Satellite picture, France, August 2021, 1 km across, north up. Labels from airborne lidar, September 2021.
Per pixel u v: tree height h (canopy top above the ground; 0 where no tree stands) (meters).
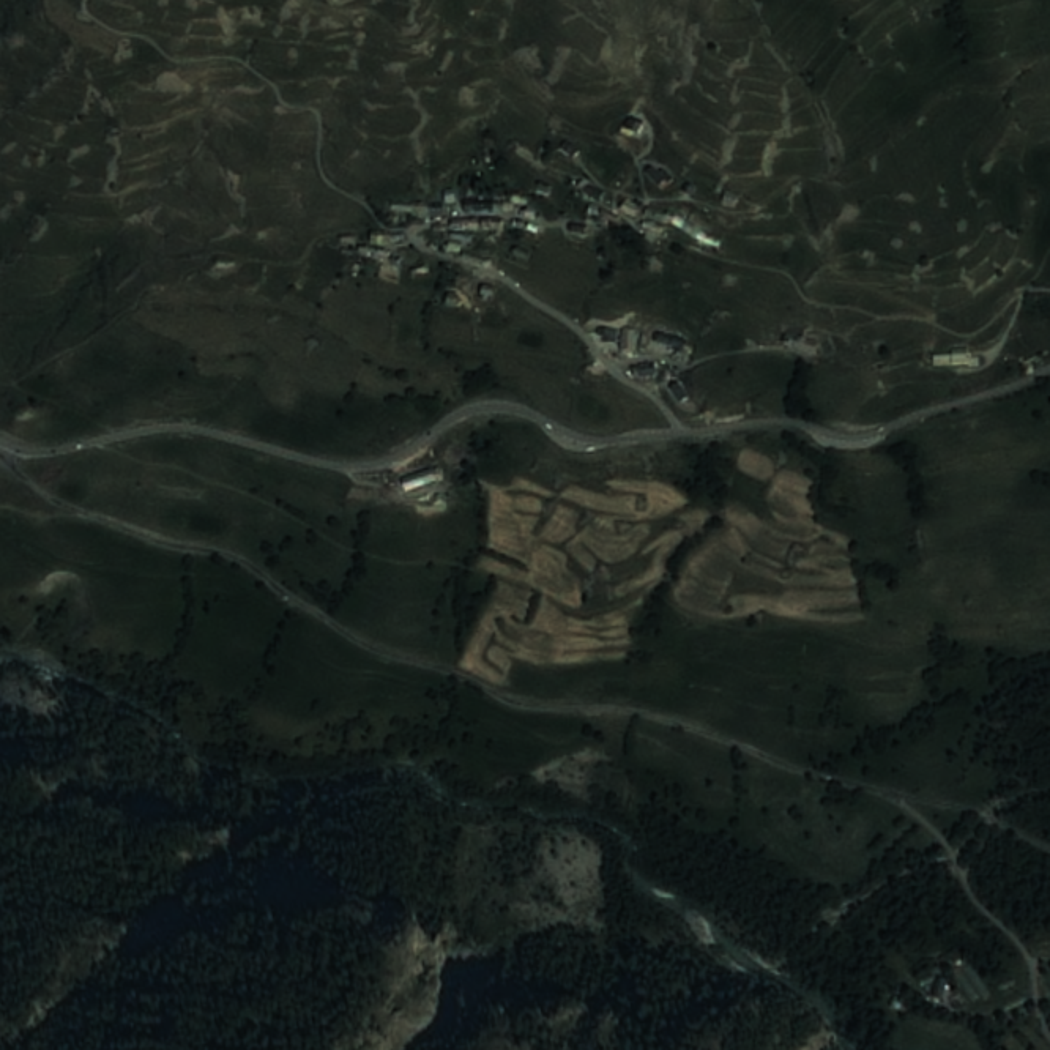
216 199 0
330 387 0
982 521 0
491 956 0
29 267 0
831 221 0
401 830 19
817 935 8
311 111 0
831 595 0
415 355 0
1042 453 0
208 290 0
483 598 9
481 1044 6
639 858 6
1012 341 0
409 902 20
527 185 0
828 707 6
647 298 0
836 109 0
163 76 0
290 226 0
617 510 0
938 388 0
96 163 0
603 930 5
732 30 0
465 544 0
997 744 10
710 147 0
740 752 10
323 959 25
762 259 0
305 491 0
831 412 0
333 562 0
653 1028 18
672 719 0
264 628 0
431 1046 45
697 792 0
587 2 0
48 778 9
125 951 10
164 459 0
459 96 0
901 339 0
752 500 0
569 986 12
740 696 0
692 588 0
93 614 0
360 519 8
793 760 0
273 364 0
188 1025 17
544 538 0
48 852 18
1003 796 9
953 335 0
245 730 12
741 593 0
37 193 0
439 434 0
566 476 0
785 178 0
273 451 0
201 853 6
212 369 0
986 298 0
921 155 0
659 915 10
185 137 0
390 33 0
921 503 11
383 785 15
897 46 0
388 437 0
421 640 0
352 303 0
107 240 0
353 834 26
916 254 0
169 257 0
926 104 0
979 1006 0
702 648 0
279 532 0
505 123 0
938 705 9
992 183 0
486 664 0
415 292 0
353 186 0
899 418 0
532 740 0
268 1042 24
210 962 9
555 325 0
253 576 0
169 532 0
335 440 0
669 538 0
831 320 0
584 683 0
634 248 9
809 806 0
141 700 12
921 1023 0
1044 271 0
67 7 0
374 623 0
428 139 0
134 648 0
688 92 0
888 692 0
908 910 13
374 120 0
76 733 16
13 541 0
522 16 0
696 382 0
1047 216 0
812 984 13
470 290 0
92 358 0
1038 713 16
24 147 0
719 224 0
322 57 0
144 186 0
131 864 12
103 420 0
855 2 0
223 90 0
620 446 0
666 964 12
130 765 10
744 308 0
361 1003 6
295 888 9
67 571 0
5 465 0
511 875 6
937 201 0
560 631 0
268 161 0
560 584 0
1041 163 0
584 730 6
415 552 0
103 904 14
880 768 0
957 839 12
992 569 0
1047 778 11
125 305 0
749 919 9
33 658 0
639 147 0
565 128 0
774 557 0
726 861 16
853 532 0
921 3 0
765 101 0
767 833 0
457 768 7
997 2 0
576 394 0
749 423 0
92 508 0
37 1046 16
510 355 0
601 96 0
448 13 0
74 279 0
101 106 0
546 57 0
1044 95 0
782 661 0
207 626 0
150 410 0
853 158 0
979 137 0
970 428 0
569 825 11
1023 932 14
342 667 0
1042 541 0
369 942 9
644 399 0
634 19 0
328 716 0
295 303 0
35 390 0
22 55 0
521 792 9
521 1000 7
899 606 0
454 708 9
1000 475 0
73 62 0
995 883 16
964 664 8
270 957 16
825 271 0
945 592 0
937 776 0
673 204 0
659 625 8
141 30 0
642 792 0
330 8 0
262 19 0
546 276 0
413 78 0
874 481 0
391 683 0
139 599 0
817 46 0
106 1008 15
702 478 10
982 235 0
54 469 0
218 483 0
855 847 0
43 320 0
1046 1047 0
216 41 0
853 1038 16
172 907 6
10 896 16
